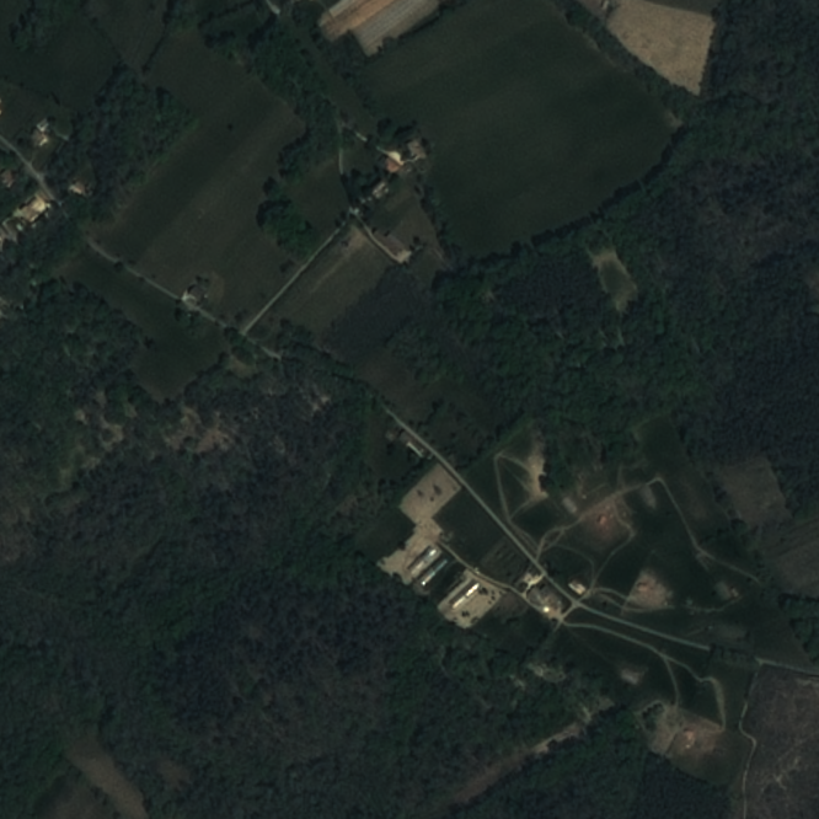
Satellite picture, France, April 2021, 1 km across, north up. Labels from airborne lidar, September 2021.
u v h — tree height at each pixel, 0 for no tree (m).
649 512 0
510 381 20
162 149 11
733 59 16
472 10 0
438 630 18
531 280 22
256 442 14
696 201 18
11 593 22
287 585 23
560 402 28
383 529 0
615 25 0
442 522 0
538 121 0
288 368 18
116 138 20
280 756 20
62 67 0
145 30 0
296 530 22
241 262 0
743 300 22
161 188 0
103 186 19
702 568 0
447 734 20
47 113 0
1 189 21
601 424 24
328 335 10
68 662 20
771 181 11
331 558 23
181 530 21
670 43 0
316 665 24
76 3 18
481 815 20
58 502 17
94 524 15
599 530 0
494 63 0
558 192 0
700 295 19
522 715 13
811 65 19
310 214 0
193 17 19
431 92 0
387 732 19
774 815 8
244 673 22
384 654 13
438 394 0
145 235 0
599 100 0
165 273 0
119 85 17
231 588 22
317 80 15
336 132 19
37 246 16
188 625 24
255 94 0
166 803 24
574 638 0
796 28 12
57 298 14
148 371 0
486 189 0
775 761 0
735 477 0
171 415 18
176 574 17
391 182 7
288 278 13
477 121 0
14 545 15
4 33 0
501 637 0
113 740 20
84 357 19
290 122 0
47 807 5
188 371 0
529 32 0
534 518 0
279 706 18
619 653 0
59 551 18
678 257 22
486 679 15
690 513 0
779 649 0
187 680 26
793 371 21
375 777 23
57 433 20
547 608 0
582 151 0
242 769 23
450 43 0
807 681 0
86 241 17
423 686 21
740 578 0
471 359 15
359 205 15
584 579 0
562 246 20
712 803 20
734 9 16
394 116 0
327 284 0
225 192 0
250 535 13
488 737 15
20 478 21
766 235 10
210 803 12
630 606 0
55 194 19
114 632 21
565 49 0
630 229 25
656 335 16
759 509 0
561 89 0
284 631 12
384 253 0
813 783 0
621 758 18
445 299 22
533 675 14
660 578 0
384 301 13
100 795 13
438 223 12
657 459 0
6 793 25
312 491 21
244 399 18
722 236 14
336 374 18
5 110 0
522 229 0
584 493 0
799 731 0
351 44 14
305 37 0
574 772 21
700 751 0
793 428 23
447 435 0
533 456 0
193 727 30
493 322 24
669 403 18
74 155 15
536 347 24
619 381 19
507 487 0
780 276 22
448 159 0
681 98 22
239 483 15
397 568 0
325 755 17
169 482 21
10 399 21
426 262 0
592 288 23
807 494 19
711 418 15
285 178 14
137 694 22
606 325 21
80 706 23
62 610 20
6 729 23
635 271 22
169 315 0
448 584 0
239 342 16
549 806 29
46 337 21
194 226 0
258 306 0
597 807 14
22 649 12
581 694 15
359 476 17
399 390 0
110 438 15
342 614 18
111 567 13
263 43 19
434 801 22
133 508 8
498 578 0
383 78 0
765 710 0
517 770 0
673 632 0
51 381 18
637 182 0
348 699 22
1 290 18
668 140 0
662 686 0
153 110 18
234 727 19
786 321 20
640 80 11
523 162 0
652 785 18
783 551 0
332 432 22
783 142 20
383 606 16
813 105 18
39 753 30
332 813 21
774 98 14
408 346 15
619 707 7
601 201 0
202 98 0
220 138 0
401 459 0
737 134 18
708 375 22
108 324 13
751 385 21
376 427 0
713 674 0
